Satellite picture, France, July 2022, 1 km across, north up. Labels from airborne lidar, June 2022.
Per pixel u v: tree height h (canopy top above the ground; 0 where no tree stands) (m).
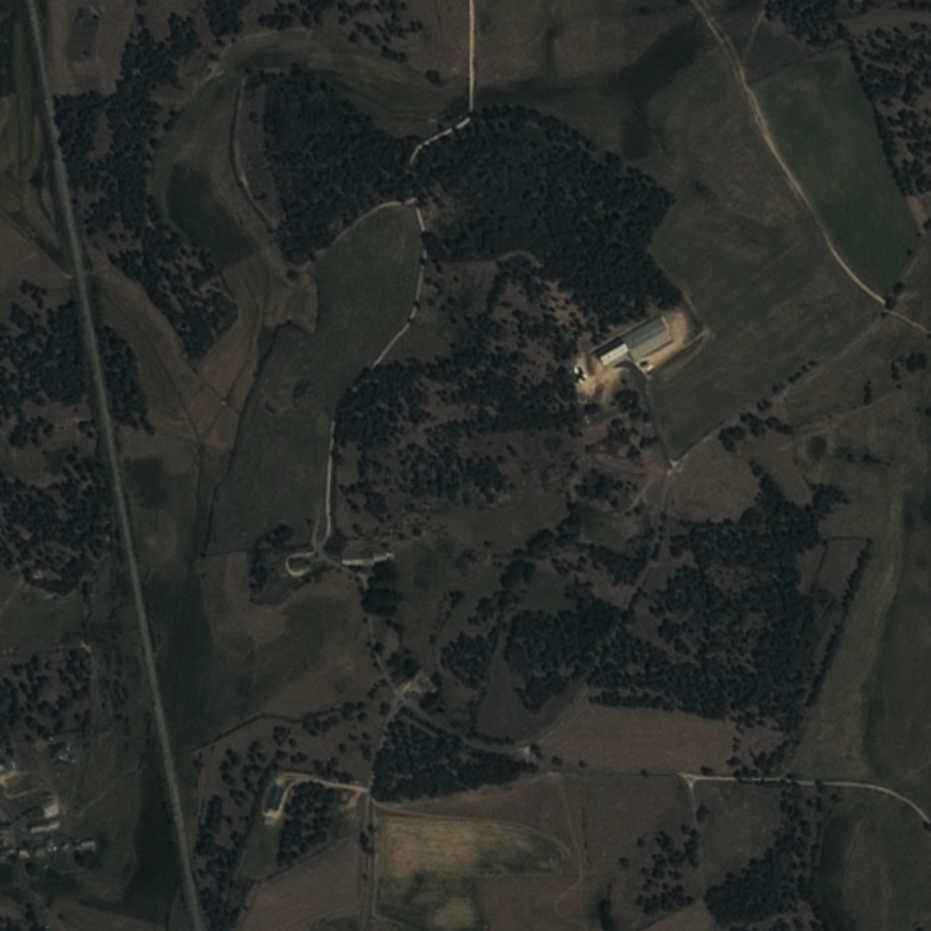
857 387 0
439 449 11
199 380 0
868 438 0
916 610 0
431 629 0
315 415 0
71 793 0
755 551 19
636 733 0
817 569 0
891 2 0
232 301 0
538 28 0
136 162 15
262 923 0
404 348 0
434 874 0
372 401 15
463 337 0
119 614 0
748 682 20
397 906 0
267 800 0
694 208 0
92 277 0
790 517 11
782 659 16
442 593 0
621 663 14
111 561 0
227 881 13
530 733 0
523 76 0
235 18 15
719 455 0
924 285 0
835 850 0
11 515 14
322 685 0
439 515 0
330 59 0
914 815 0
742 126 0
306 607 0
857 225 0
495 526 0
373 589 11
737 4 0
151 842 0
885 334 0
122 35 0
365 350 0
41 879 0
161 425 0
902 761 0
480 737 15
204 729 0
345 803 0
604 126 0
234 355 0
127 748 0
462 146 15
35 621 0
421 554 0
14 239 0
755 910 15
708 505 0
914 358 9
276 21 20
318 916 0
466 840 0
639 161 0
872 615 0
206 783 0
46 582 14
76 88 0
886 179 0
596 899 0
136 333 0
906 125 12
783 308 0
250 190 0
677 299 12
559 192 14
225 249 0
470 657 12
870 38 8
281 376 0
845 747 0
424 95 0
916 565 0
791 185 0
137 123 15
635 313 9
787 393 0
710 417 0
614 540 0
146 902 0
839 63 0
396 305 0
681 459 0
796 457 0
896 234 0
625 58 0
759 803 0
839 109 0
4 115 0
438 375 17
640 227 12
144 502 0
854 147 0
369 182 12
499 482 12
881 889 0
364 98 0
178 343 0
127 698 0
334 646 0
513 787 0
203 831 10
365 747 8
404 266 0
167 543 0
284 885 0
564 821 0
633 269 14
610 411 0
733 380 0
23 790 0
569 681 7
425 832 0
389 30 12
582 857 0
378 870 0
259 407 0
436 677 8
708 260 0
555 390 16
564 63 0
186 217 0
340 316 0
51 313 11
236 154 0
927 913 0
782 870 8
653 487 0
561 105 0
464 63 0
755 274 0
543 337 13
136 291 0
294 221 12
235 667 0
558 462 0
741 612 17
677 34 0
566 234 17
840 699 0
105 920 0
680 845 0
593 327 12
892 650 0
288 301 0
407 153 15
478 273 0
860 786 0
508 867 0
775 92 0
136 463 0
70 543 16
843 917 0
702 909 0
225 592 0
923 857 0
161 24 0
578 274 17
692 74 0
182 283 8
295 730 0
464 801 0
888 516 0
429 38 0
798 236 0
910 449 0
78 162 12
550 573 0
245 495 0
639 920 0
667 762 0
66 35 0
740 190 0
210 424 0
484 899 0
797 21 8
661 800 0
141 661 0
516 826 0
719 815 0
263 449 0
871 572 0
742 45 0
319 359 0
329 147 11
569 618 18
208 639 0
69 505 9
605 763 0
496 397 16
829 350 0
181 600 0
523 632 14
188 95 0
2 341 13
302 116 7
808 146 0
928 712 0
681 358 0
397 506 0
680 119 0
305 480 0
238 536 0
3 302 0
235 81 0
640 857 0
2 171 0
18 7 0
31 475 0
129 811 0
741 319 0
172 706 0
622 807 0
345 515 0
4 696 12
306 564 9
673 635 13
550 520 0
